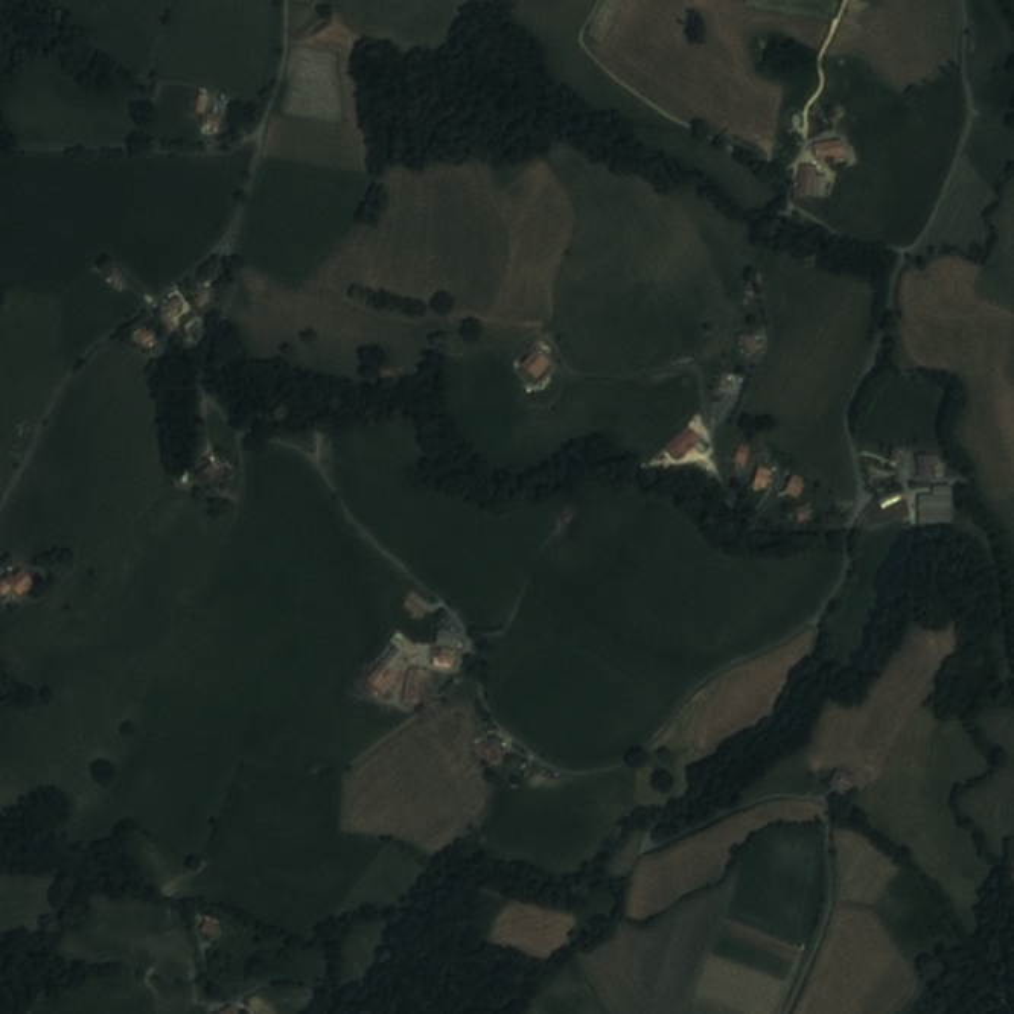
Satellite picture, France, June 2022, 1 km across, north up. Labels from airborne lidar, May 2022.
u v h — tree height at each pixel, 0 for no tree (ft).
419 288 0
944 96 0
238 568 0
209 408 0
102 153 27
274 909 0
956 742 0
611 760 0
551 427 0
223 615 0
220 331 37
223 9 0
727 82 0
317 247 0
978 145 0
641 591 0
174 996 0
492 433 0
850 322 0
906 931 0
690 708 0
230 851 0
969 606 58
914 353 0
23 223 0
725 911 0
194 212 0
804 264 21
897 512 0
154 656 0
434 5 0
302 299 0
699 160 0
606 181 0
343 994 69
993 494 0
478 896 64
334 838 0
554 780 0
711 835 0
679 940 0
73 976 77
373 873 0
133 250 0
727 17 0
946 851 0
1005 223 0
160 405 25
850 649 0
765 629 0
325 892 0
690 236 0
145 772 0
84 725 0
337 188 0
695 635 0
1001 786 0
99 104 0
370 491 0
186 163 0
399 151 44
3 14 75
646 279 0
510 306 0
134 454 0
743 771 49
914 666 0
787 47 49
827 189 0
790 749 45
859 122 0
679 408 0
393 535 0
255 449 37
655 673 0
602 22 0
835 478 0
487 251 0
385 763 0
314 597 0
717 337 0
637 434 0
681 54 0
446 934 81
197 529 0
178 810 0
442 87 66
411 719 0
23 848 44
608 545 0
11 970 86
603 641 0
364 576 0
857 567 28
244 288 0
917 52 0
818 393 0
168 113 0
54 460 0
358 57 42
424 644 0
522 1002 74
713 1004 0
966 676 73
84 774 0
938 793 0
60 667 0
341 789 0
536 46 65
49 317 0
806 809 0
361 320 0
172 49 0
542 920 0
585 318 0
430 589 0
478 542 0
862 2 0
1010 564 79
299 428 38
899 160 0
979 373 0
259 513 0
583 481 36
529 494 34
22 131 0
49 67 0
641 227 0
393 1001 84
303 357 0
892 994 0
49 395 0
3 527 0
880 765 0
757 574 0
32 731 0
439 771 0
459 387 0
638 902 0
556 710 0
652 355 0
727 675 0
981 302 0
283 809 0
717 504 21
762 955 0
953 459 57
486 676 40
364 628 0
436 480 26
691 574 0
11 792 0
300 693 0
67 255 0
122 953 0
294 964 0
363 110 45
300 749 0
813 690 40
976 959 78
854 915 0
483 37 78
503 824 0
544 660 0
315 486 0
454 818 0
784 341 0
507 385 0
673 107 0
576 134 78
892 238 0
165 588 0
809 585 0
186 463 68
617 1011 0
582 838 0
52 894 39
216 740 0
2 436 0
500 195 0
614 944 0
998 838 0
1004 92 0
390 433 0
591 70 0
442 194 0
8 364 0
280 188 0
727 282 0
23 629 0
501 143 46
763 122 0
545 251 0
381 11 0
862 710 0
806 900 0
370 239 0
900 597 56
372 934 0
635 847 0
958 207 0
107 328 0
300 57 0
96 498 0
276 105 0
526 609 0
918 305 0
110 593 0
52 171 0
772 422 59
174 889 0
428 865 28
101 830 0
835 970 0
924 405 0
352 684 0
